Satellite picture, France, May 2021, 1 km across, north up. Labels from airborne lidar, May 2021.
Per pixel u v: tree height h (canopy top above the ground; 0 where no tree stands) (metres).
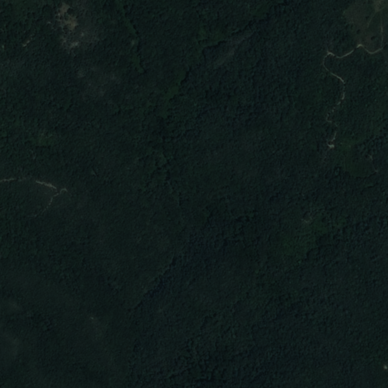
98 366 11
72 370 15
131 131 20
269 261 9
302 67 14
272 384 15
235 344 13
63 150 15
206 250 21
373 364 12
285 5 12
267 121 10
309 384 9
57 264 16
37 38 10
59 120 10
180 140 12
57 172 8
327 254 16
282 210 11
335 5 7
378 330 7
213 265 17
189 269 20
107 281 23
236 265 17
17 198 9
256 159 9
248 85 13
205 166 11
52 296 8
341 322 8
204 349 16
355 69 7
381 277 10
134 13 18
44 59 12
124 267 13
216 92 16
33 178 8
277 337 10
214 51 21
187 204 20
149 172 7
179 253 22
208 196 19
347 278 11
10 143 16
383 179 14
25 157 8
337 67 8
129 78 13
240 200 11
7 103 13
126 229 15
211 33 7
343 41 10
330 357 11
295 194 17
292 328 11
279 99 7
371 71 9
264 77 13
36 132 9
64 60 11
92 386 13
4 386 13
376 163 10
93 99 9
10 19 16
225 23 17
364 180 10
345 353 10
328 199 10
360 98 8
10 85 7
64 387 6
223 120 10
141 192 18
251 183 10
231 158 10
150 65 18
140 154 23
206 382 23
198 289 12
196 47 8
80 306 12
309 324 10
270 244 13
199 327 15
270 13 10
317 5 12
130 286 18
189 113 9
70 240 21
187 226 21
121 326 23
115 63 20
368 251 9
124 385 26
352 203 10
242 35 13
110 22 11
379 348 8
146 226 14
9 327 15
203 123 16
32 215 11
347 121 9
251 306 9
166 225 15
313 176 8
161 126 28
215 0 7
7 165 7
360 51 7
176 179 20
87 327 6
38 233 15
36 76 13
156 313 9
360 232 12
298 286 6
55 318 18
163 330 18
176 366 15
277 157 12
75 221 9
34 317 25
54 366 14
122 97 12
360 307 8
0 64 8
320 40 9
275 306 13
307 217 11
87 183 11
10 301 7
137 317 21
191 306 8
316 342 11
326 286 14
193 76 21
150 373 19
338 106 9
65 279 12
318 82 10
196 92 15
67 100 9
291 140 7
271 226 21
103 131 8
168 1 9
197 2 12
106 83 6
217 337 10
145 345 14
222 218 32
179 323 14
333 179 18
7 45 15
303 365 11
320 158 7
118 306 21
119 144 13
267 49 15
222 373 10
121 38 14
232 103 9
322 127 8
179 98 13
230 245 22
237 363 14
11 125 13
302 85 8
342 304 9
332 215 16
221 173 14
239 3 14
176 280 13
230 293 13
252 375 12
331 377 8
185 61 21
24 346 7
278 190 21
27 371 7
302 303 18
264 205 20
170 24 16
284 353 15
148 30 17
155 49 13
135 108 12
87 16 6
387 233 8
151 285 18
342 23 9
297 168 16
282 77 12
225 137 7
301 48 11
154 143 18
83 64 7
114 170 12
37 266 14
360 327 8
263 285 12
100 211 9
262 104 17
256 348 22
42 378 7
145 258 11
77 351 10
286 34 13
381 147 9
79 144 10
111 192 19
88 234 7
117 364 13
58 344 19
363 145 13
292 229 12
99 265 18
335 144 10
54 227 9
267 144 14
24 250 19
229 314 9
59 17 6
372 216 14
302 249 6
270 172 15
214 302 13
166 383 23
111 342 16
